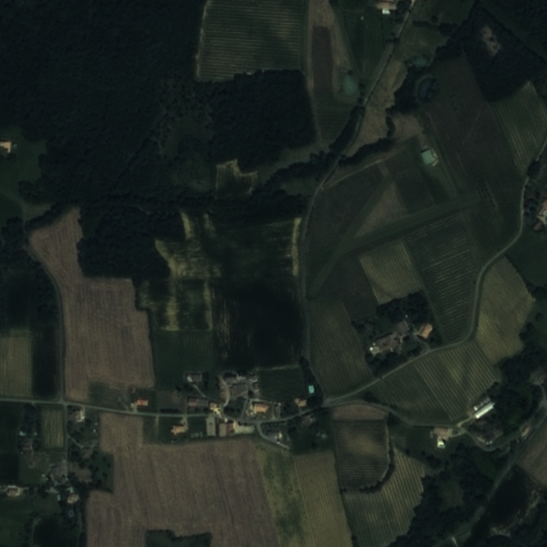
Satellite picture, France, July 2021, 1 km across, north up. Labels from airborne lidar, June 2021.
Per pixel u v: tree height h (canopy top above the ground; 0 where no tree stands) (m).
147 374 0
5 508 0
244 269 0
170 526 0
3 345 0
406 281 0
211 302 0
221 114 18
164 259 8
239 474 0
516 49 17
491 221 0
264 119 24
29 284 0
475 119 0
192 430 0
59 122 22
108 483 0
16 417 0
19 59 23
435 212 0
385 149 14
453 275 0
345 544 0
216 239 0
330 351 0
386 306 8
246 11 0
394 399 0
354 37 0
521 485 0
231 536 0
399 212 0
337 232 0
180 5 20
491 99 15
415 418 0
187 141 8
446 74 0
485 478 11
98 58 19
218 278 0
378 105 0
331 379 0
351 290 0
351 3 0
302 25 0
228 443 0
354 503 0
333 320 0
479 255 0
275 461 0
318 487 0
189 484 0
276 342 0
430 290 0
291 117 19
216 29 0
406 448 0
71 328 0
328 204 0
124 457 0
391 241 0
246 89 18
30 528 10
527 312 0
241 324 0
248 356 0
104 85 16
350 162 12
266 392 0
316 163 20
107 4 18
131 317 0
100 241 21
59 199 17
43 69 20
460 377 0
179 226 18
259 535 0
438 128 0
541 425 0
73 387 0
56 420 0
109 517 0
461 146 0
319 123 0
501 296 0
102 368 0
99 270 19
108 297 0
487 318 0
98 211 8
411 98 17
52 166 24
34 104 23
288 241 0
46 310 16
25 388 0
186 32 17
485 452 6
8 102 19
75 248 0
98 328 0
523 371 23
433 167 0
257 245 0
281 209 8
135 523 0
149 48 18
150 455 0
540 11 26
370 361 16
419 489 0
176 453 0
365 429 0
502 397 13
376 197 0
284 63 0
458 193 0
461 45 11
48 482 5
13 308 0
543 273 0
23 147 0
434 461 18
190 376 0
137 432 0
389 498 0
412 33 0
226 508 0
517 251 0
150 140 21
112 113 21
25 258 13
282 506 0
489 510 0
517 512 0
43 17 20
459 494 0
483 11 25
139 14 18
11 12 29
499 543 16
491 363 0
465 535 0
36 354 0
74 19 19
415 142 0
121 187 24
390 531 0
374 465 0
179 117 8
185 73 7
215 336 0
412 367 0
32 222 11
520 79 17
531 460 0
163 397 0
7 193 0
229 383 0
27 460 0
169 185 8
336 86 0
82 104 19
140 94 20
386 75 0
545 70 19
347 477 0
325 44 0
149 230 19
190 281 0
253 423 0
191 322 0
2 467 0
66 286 0
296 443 0
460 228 0
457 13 0
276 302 0
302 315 0
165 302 0
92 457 9
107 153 25
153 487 0
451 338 0
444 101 0
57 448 0
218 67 0
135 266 17
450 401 0
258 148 19
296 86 17
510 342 0
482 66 16
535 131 0
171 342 0
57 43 17
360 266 0
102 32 15
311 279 0
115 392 0
